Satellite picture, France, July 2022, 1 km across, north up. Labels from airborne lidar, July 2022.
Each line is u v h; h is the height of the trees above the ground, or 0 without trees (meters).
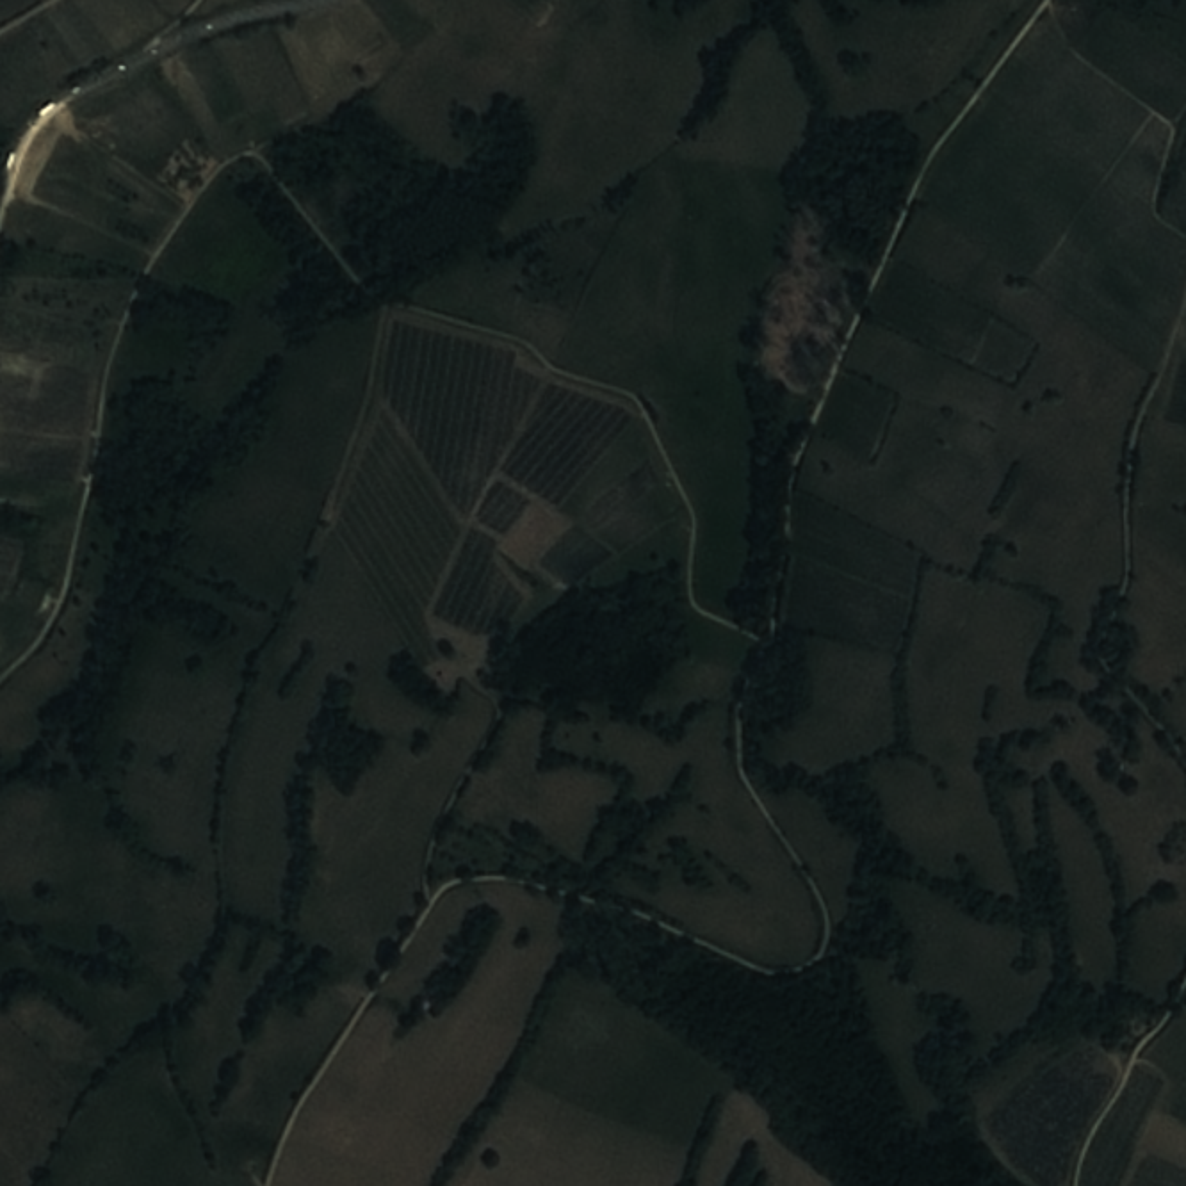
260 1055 0
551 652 18
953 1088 13
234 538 0
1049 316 0
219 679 0
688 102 0
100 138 0
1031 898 7
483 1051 0
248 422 9
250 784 0
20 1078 0
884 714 0
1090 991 14
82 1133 0
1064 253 0
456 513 0
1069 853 0
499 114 13
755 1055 15
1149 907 6
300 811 18
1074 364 0
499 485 0
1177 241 0
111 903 0
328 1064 0
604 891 12
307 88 0
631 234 0
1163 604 0
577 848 0
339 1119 0
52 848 0
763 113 0
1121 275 0
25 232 0
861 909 13
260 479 0
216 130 0
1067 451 0
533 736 0
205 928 0
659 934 19
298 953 19
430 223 28
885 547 0
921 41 0
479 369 0
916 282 0
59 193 0
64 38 0
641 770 0
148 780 0
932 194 0
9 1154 0
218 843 7
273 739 0
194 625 12
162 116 0
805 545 0
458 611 0
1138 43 0
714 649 0
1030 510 0
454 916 0
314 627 0
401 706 0
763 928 0
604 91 0
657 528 0
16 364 0
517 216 0
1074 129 0
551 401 0
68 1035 0
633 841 8
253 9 0
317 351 0
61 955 18
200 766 0
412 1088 0
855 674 0
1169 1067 0
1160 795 0
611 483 0
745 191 0
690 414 0
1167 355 0
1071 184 0
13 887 0
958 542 0
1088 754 0
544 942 0
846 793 16
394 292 17
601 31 0
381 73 0
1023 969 7
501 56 0
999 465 0
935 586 0
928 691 0
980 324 0
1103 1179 0
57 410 0
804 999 12
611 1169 0
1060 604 9
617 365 0
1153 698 10
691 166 0
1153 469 0
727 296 0
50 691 0
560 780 0
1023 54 0
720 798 0
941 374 0
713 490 0
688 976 10
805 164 15
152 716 0
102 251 0
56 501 0
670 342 0
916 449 0
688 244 0
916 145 12
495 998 0
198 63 0
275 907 0
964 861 8
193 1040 0
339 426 0
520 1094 0
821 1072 10
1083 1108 0
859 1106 13
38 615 0
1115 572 0
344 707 13
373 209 16
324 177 20
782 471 17
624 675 20
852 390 0
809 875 9
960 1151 8
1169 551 0
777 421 12
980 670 0
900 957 8
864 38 0
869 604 0
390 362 0
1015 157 0
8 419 0
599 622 18
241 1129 0
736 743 15
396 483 0
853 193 23
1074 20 0
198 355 6
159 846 0
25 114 0
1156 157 0
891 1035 0
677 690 0
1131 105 0
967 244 0
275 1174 0
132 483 20
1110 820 0
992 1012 0
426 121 0
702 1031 8
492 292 0
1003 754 6
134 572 18
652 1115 0
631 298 0
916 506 0
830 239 25
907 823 0
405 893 0
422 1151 0
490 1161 11
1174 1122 0
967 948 0
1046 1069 0
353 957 0
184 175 8
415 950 0
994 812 8
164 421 9
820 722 0
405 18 0
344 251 0
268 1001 17
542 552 0
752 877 0
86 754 21
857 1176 18
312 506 0
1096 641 12
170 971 0
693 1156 9
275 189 10
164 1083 0
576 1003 0
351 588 0
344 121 14
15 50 0
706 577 0
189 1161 0
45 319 0
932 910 0
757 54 0
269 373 12
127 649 20
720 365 0
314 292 23
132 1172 0
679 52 0
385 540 0
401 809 0
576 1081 0
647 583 9
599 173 0
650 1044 0
